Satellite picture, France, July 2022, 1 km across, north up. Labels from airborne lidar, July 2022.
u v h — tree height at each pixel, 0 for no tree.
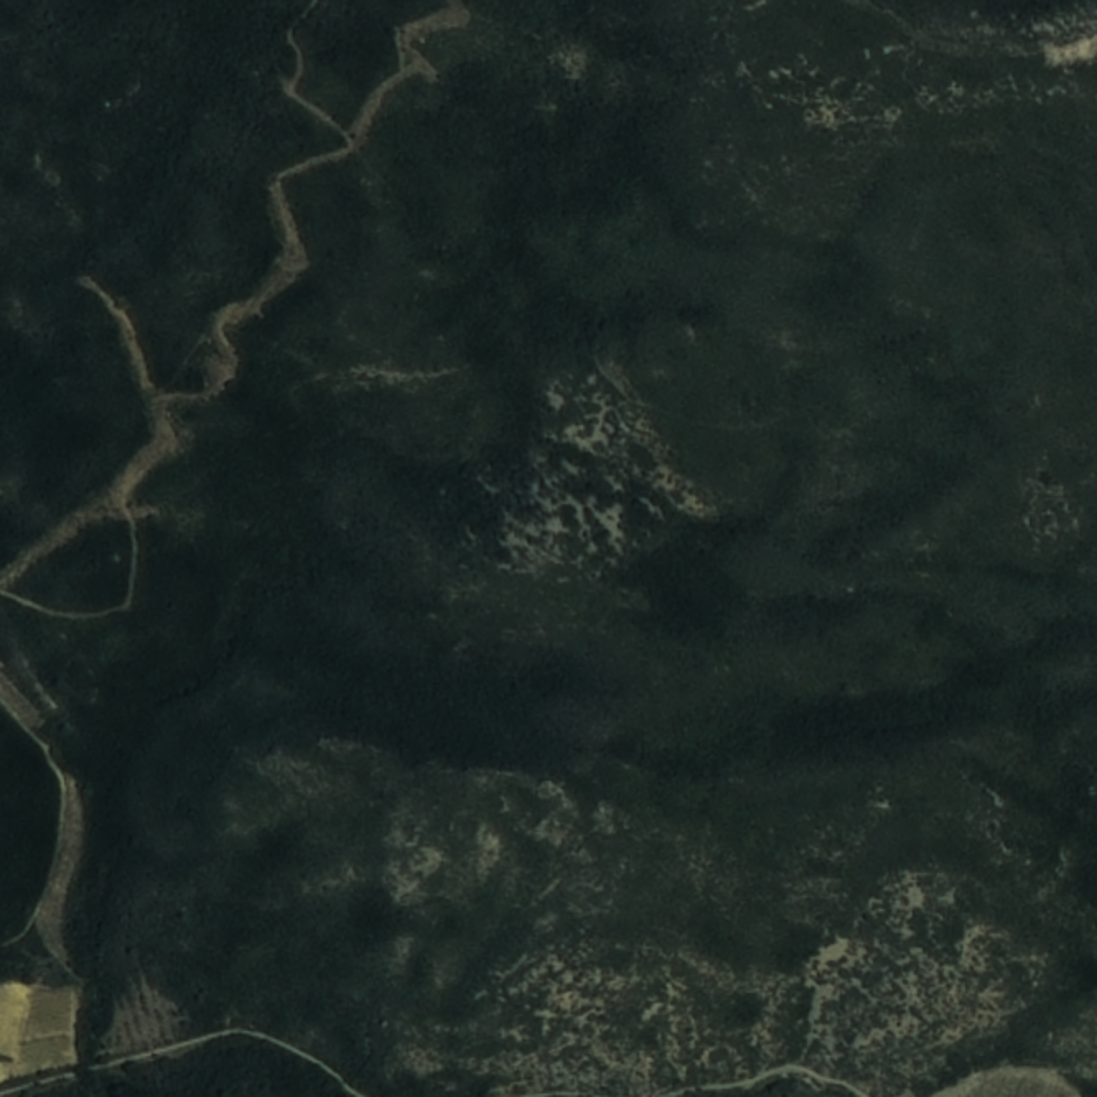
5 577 0
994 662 6
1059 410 0
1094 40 0
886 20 0
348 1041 6
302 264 0
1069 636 7
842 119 0
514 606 0
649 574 7
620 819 0
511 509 6
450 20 0
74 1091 10
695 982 0
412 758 7
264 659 6
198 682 8
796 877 0
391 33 7
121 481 0
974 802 0
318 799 0
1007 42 0
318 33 6
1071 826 8
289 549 6
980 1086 0
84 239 6
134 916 8
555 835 0
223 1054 10
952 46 0
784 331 0
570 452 7
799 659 0
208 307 6
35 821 6
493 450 6
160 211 5
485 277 8
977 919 0
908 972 0
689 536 6
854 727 7
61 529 0
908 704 6
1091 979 6
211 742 6
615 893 0
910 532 0
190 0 7
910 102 0
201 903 6
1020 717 7
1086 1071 0
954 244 0
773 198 0
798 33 0
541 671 6
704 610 6
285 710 5
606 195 10
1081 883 7
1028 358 0
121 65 7
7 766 6
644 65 6
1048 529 0
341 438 7
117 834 9
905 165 0
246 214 6
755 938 0
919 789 0
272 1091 6
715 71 0
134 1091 17
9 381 6
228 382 7
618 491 8
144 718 8
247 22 7
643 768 7
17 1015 0
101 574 6
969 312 0
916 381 7
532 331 8
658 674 0
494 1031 0
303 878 7
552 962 0
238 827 0
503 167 9
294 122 6
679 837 0
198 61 7
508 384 6
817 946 0
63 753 6
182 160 8
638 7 7
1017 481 0
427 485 7
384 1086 6
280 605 6
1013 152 0
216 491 6
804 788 0
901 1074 0
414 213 6
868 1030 0
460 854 0
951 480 5
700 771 7
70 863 0
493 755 6
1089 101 0
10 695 0
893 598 6
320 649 6
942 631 6
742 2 0
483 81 5
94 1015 7
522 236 6
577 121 6
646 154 6
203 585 7
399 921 5
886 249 0
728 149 0
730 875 0
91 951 8
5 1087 6
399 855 0
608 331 8
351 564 6
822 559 6
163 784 6
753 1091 6
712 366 0
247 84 6
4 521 6
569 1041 0
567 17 8
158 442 0
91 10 7
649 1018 0
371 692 8
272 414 6
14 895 5
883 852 0
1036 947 0
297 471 6
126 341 0
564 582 0
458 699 6
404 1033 0
